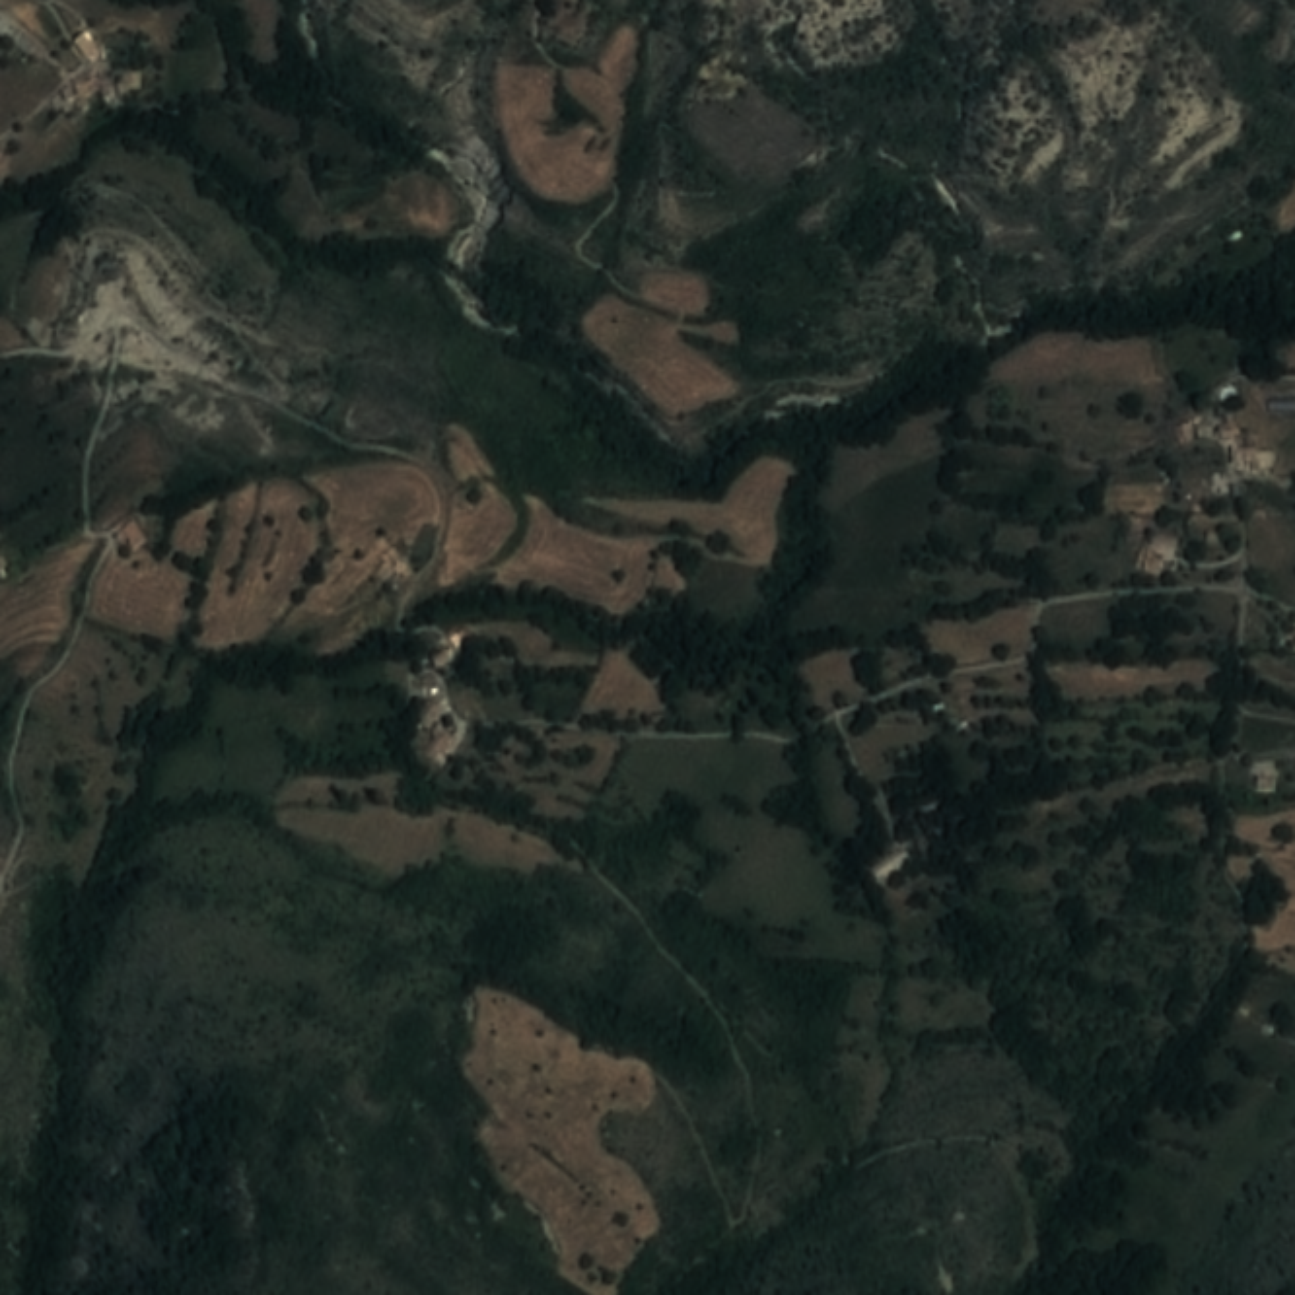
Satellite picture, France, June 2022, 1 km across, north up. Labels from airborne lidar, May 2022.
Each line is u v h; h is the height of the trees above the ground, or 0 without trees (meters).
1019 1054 12
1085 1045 9
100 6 0
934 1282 0
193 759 0
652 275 0
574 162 0
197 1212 9
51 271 0
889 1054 7
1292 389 0
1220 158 8
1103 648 15
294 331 0
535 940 8
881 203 11
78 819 6
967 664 0
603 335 0
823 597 0
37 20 0
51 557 0
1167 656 11
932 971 15
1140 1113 9
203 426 0
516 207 0
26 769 0
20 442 0
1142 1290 10
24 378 0
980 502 13
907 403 27
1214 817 14
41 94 0
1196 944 6
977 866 11
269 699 0
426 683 0
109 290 0
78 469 6
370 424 0
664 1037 12
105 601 0
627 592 0
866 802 11
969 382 14
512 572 0
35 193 18
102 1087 0
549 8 8
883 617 0
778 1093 0
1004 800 16
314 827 0
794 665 13
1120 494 0
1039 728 10
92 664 0
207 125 0
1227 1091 11
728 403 6
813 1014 6
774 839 0
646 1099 0
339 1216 6
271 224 15
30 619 0
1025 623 0
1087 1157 10
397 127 9
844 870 11
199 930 0
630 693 0
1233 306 25
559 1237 0
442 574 0
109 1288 9
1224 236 8
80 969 10
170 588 0
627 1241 0
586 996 10
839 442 9
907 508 0
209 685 12
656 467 7
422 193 0
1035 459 0
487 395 0
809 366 10
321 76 16
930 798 13
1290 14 0
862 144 8
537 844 0
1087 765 9
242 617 0
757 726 0
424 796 8
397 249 16
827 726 8
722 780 0
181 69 0
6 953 0
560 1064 0
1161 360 0
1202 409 13
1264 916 15
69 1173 10
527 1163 0
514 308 25
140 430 0
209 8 7
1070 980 8
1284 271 27
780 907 0
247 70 12
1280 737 0
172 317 0
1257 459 0
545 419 0
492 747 9
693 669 10
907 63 9
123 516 0
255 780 0
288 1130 6
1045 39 7
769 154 0
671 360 0
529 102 0
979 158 6
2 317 0
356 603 0
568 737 0
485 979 6
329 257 10
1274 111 6
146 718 12
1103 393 0
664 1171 0
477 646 20
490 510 0
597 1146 0
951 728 9
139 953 0
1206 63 0
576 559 0
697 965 7
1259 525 0
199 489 8
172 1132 11
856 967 8
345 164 8
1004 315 16
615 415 11
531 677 11
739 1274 8
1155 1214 0
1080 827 7
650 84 0
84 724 0
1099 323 24
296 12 7
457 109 0
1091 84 0
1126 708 8
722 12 7
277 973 0
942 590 10
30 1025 7
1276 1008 9
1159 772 0
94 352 0
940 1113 0
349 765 13
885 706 15
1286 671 0
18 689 6
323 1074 7
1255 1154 0
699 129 0
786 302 0
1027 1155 8
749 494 0
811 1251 9
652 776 0
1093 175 0
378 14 0
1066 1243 6
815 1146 0
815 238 6
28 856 0
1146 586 6
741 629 12
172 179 0
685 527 8
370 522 0
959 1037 11
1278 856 0
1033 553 11
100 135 9
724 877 0
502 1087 0
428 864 8
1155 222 0
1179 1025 6
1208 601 0
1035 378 0
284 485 0
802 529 10
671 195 0
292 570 0
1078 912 10
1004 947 10
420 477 0
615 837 6
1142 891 7
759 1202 0
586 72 0
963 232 7
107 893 7
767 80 9
